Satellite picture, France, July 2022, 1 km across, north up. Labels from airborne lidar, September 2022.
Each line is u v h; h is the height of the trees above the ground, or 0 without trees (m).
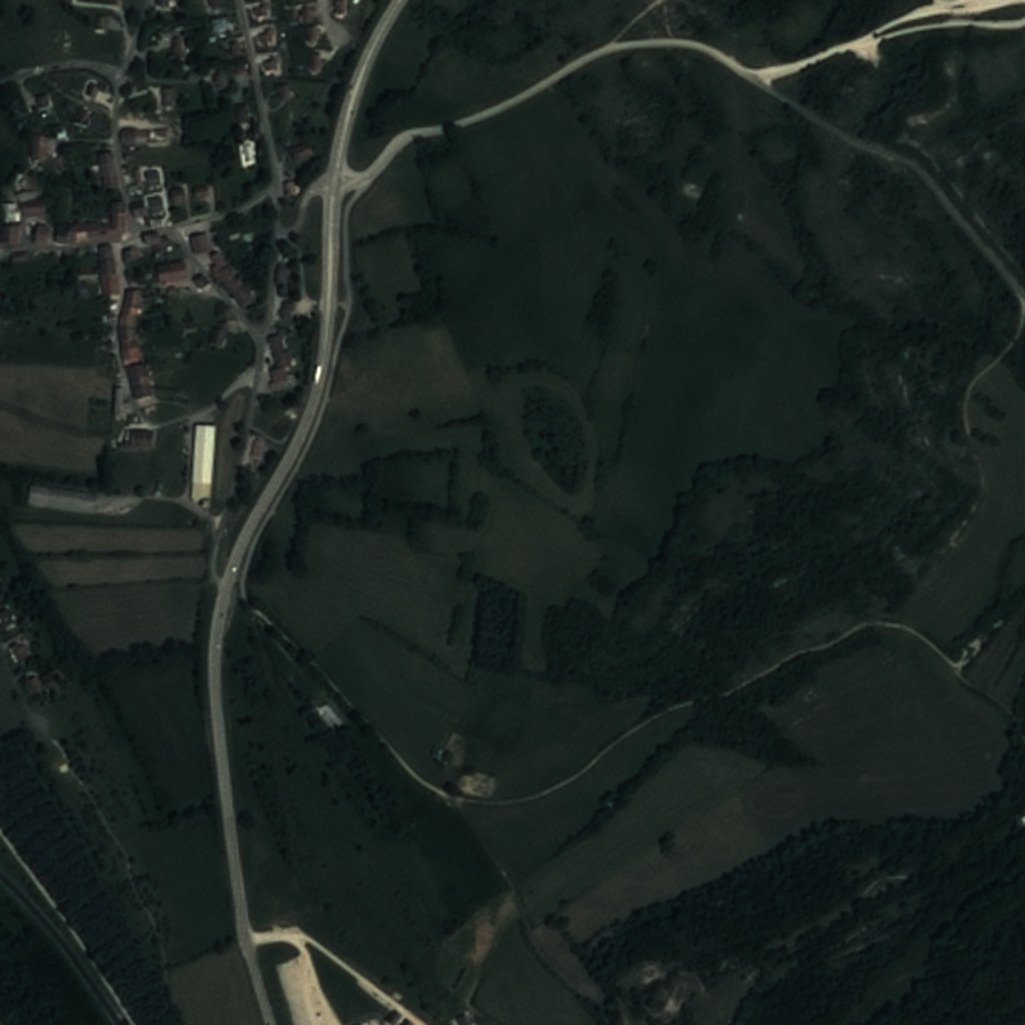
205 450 0
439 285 15
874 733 0
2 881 0
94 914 15
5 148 0
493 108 0
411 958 0
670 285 0
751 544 6
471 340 0
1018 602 7
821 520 7
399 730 0
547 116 0
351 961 0
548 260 0
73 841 14
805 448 0
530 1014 0
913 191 7
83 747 9
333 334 0
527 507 0
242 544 0
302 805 0
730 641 10
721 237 5
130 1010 14
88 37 0
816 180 0
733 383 0
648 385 0
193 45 11
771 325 0
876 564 6
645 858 0
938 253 10
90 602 0
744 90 0
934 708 0
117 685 0
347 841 0
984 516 0
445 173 0
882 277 0
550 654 5
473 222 0
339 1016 0
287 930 0
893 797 0
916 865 6
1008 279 0
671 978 8
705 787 0
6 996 13
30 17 11
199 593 0
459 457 10
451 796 17
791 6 6
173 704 0
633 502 0
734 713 6
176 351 0
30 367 0
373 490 14
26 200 0
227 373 0
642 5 0
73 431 0
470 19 10
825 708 0
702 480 7
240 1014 0
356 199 0
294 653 14
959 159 0
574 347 0
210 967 0
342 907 0
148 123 0
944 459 0
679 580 12
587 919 0
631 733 0
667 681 12
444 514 15
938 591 0
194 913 0
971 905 16
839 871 9
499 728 0
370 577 0
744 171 0
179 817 16
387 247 0
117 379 0
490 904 0
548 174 0
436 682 0
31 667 13
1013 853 9
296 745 0
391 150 0
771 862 10
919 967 0
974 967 12
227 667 0
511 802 0
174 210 9
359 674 0
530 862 0
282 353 0
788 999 9
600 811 8
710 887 7
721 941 7
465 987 0
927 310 0
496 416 0
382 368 0
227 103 13
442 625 0
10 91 11
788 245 0
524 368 11
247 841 0
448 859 0
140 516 0
